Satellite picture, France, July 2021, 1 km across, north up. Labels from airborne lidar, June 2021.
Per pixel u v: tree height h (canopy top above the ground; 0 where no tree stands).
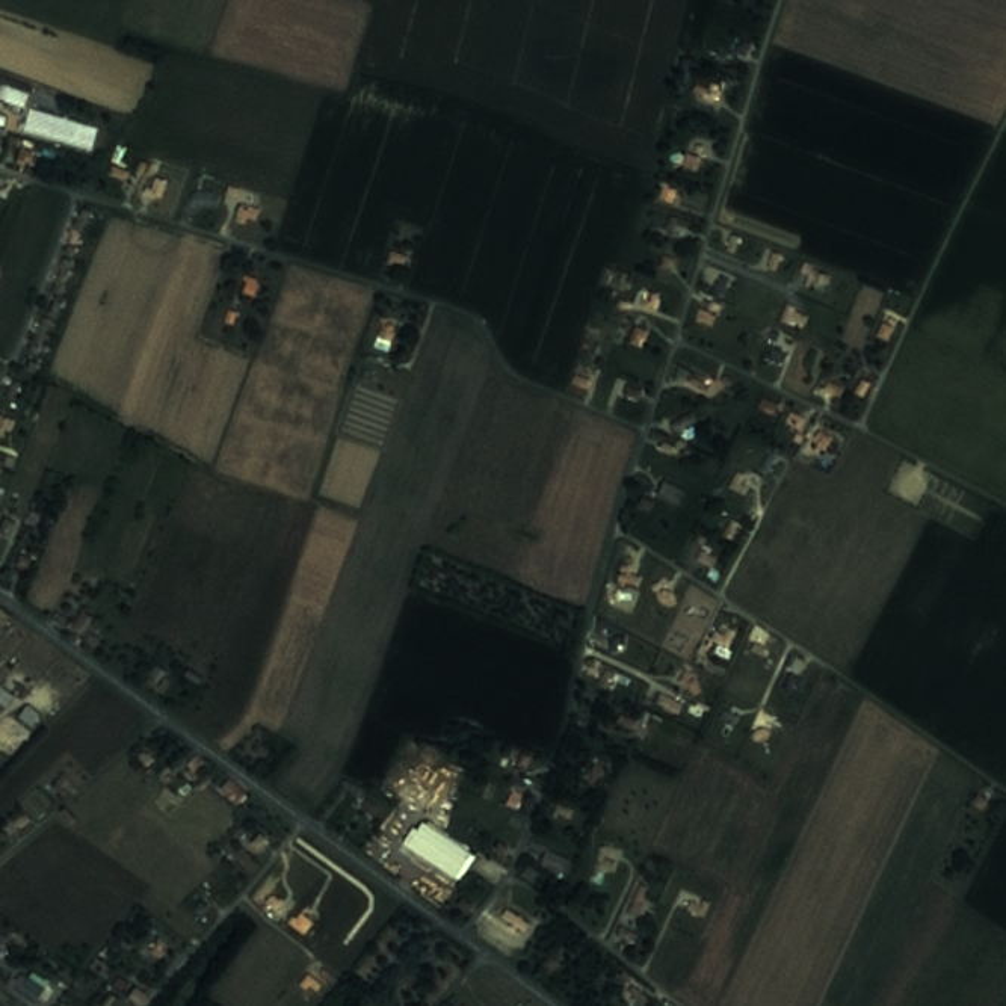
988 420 0
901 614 0
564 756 16
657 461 0
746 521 8
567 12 0
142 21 0
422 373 0
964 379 0
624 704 7
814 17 0
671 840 0
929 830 0
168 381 0
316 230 0
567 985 7
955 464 0
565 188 0
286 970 0
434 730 0
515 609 9
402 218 0
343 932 0
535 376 0
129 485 0
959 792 0
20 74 0
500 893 0
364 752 0
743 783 0
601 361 6
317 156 0
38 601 0
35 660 0
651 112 0
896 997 0
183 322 0
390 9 0
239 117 0
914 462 0
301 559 0
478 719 0
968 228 0
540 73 0
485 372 0
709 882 0
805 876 0
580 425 0
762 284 0
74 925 0
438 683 0
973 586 0
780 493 0
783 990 0
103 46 0
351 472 0
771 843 0
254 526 0
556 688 0
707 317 0
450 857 0
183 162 0
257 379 0
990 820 7
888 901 0
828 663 0
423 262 0
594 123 0
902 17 0
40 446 0
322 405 0
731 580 0
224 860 7
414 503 0
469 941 0
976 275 0
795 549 0
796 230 0
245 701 0
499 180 0
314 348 0
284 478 0
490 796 0
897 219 0
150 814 0
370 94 0
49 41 0
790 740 0
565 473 0
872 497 0
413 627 0
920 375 0
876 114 0
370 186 0
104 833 0
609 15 0
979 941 0
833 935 0
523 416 0
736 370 0
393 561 0
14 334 0
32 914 0
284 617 0
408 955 17
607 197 0
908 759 0
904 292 0
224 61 0
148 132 0
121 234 0
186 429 0
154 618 0
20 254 0
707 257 0
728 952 0
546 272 0
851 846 0
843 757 0
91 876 0
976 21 0
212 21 0
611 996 10
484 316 0
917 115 0
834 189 0
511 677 0
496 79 0
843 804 0
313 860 0
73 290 0
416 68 0
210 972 14
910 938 0
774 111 0
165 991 8
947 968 0
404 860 0
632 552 0
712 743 0
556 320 0
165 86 0
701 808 0
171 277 0
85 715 0
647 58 0
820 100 0
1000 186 0
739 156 0
